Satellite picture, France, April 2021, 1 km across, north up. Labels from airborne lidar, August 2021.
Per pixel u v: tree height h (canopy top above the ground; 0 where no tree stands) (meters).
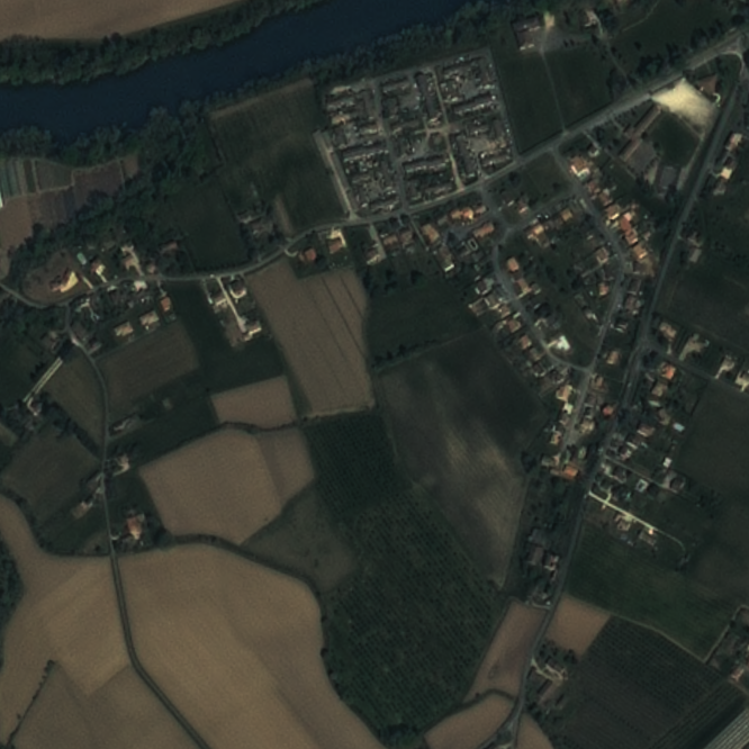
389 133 0
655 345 0
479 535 0
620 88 18
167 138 17
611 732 0
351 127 0
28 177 0
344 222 0
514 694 0
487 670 0
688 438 0
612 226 0
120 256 11
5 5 0
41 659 0
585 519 6
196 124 20
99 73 28
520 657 0
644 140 9
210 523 0
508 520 0
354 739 0
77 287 0
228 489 0
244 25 30
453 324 0
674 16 0
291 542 0
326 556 0
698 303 0
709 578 0
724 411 0
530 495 0
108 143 18
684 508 0
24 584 17
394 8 0
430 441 0
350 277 0
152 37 13
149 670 0
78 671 0
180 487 0
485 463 0
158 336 0
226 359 0
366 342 0
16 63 20
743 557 0
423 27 13
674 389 10
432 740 0
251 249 16
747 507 0
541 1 20
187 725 0
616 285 0
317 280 0
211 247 0
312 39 0
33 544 0
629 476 9
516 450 0
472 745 0
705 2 0
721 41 20
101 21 0
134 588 0
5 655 21
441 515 0
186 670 0
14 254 12
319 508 0
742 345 0
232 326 0
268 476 0
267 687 0
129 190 16
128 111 0
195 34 15
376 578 6
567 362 0
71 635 0
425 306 0
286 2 16
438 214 7
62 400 0
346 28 0
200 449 0
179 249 6
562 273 0
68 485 0
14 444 0
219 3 0
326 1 0
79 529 0
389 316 0
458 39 14
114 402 0
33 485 0
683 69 16
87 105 0
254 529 0
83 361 0
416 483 0
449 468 0
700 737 0
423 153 0
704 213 0
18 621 0
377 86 0
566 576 0
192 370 0
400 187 0
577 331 0
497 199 0
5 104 0
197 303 0
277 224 11
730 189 12
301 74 27
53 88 0
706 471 0
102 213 29
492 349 0
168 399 0
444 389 0
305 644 0
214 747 0
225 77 0
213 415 0
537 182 0
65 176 0
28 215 0
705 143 0
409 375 0
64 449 0
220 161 10
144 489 0
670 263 0
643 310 8
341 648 0
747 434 0
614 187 9
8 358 0
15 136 20
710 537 0
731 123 0
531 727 0
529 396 0
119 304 7
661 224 12
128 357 0
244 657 0
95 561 0
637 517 0
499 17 19
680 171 0
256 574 0
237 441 0
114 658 0
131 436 0
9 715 0
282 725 0
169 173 11
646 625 0
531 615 0
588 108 0
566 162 0
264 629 0
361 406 0
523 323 6
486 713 0
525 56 0
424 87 0
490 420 0
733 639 7
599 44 18
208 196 0
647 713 0
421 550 6
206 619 0
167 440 0
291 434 0
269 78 17
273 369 0
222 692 0
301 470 0
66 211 0
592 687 0
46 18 0
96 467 0
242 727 0
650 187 20
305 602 0
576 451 9
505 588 0
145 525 7
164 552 13
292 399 0
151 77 0
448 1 0
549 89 0
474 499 0
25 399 0
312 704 0
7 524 0
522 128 0
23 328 19
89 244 20
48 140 27
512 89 0
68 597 0
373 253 0
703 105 0
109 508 0
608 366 0
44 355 6
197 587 0
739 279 0
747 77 0
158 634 0
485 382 0
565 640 0
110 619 0
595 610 0
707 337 0
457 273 6
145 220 17
